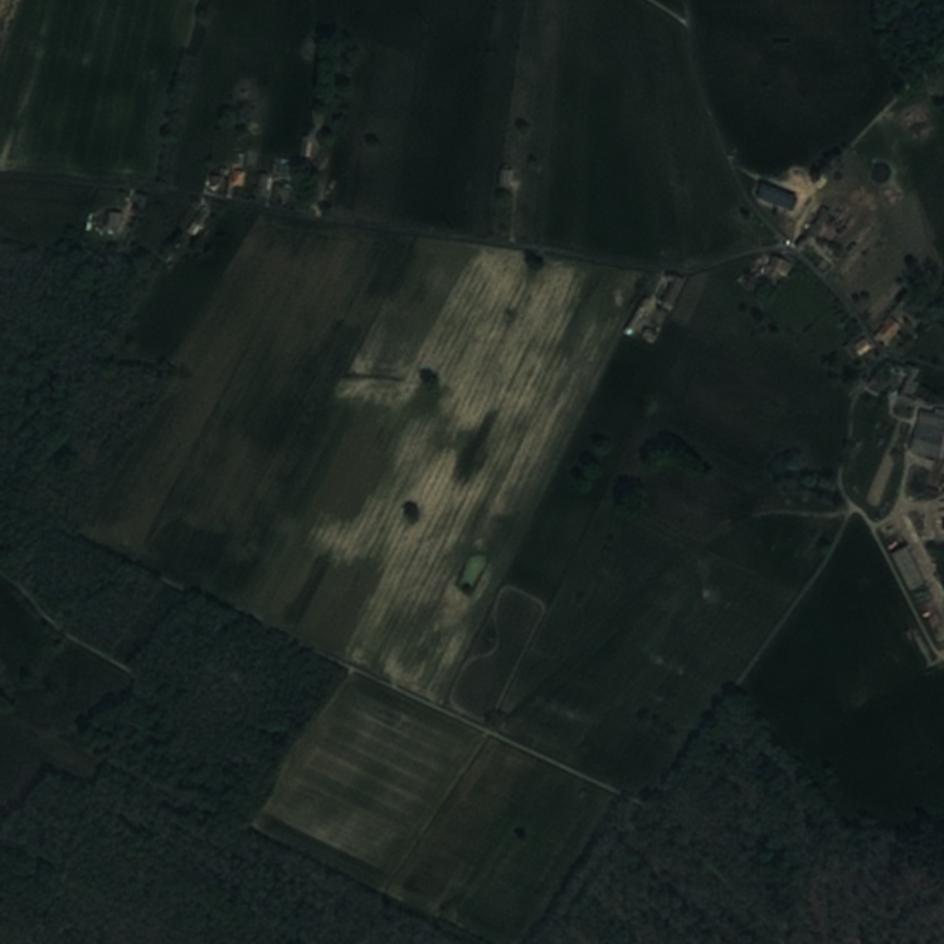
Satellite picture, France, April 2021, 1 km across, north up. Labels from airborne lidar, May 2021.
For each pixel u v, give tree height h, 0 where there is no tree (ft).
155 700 50
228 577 0
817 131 0
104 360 52
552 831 0
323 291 0
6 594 0
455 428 0
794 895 50
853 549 0
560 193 0
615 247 0
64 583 55
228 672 70
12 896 66
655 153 0
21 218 0
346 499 0
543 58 0
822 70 0
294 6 0
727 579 0
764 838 27
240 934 67
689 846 39
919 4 65
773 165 0
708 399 0
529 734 0
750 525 0
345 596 0
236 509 0
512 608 0
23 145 0
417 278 0
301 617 0
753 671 0
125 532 0
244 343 0
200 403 0
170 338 0
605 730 0
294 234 0
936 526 0
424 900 0
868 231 0
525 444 0
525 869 0
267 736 65
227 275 0
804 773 45
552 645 0
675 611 0
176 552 0
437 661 0
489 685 0
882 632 0
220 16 0
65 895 45
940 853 67
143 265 56
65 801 65
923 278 55
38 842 51
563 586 0
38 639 0
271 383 0
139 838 68
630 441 0
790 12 0
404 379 0
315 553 0
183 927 71
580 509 0
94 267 65
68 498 38
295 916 65
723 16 0
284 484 0
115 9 0
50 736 0
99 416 31
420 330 0
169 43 0
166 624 47
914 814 0
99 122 0
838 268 0
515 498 0
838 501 21
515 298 0
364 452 0
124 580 55
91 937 52
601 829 34
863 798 0
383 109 0
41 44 0
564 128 0
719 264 0
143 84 0
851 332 21
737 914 47
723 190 0
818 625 0
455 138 0
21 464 49
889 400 35
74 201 0
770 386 0
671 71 0
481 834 0
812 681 0
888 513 0
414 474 0
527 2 0
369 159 0
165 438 0
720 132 0
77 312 63
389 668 0
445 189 0
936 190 0
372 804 0
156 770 64
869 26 0
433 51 0
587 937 56
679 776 41
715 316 0
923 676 0
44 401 60
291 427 0
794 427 0
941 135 0
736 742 59
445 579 0
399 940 54
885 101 0
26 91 0
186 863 75
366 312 0
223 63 0
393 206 0
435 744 0
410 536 0
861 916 37
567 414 0
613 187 0
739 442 0
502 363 0
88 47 0
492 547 0
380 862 0
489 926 0
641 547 0
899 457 29
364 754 0
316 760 0
